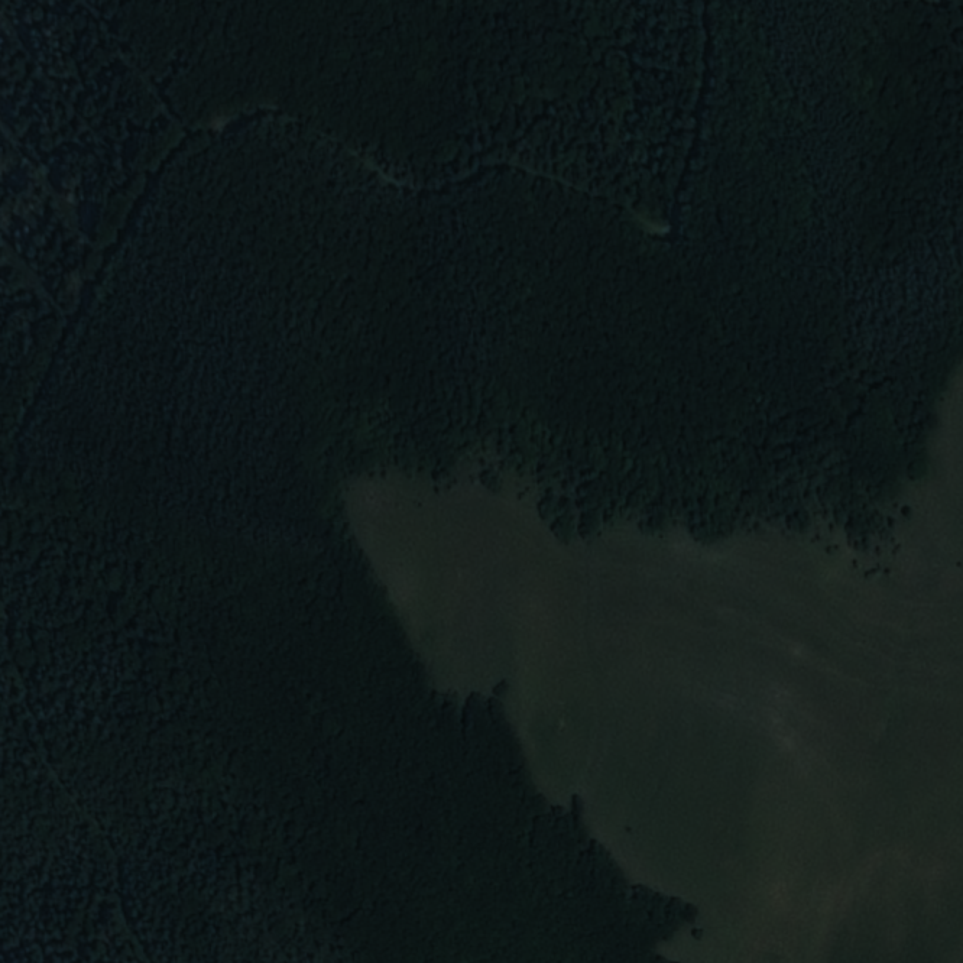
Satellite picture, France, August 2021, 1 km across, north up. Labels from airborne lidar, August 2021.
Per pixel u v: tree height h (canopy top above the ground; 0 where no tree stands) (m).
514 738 9
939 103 19
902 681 0
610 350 18
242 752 13
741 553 0
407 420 14
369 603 14
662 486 16
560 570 0
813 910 0
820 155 20
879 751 0
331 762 17
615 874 12
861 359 18
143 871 19
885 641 0
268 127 14
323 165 16
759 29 18
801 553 0
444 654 0
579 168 21
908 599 0
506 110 20
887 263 17
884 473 24
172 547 15
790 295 19
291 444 18
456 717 14
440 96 25
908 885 0
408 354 18
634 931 20
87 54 26
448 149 24
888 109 25
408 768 16
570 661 0
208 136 16
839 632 0
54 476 16
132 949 15
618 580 0
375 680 16
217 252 20
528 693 0
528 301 16
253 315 16
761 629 0
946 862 0
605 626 0
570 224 19
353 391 15
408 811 17
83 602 10
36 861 10
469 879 19
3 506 18
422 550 0
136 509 15
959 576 0
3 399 19
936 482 0
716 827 0
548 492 8
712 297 24
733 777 0
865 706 0
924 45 21
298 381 13
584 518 7
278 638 16
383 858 18
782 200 20
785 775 0
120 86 23
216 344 22
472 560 0
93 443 18
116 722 14
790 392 20
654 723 0
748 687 0
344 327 19
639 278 21
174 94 24
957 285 13
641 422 17
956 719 0
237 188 18
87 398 20
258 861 15
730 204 21
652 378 18
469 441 12
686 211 20
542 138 20
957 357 12
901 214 17
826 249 19
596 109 20
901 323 19
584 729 0
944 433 0
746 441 12
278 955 11
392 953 21
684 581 0
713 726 0
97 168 20
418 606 0
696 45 22
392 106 26
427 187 19
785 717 0
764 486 15
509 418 15
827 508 7
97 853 18
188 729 18
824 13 16
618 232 22
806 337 17
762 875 0
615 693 0
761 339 19
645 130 25
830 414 18
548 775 0
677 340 20
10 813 10
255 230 14
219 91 21
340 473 7
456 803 18
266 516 17
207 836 20
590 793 0
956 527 0
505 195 18
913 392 17
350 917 13
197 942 17
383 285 18
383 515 0
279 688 15
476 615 0
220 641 16
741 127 20
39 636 24
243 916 7
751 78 19
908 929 0
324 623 12
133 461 19
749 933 0
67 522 20
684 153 22
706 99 22
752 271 21
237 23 21
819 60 20
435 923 20
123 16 25
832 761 0
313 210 17
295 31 20
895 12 25
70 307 20
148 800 11
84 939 12
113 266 16
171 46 23
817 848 0
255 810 11
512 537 0
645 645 0
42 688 33
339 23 22
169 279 19
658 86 22
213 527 18
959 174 17
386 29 20
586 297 18
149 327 19
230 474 21
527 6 26
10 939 25
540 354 18
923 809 0
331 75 25
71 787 12
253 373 21
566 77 29
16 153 29
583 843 13
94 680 18
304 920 5
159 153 23
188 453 18
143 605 17
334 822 18
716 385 16
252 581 15
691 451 20
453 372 18
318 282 16
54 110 24
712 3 17
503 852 19
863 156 21
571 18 26
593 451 19
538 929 18
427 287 17
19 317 33
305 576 14
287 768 17
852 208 20
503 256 19
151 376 21
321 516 15
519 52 24
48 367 6
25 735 8
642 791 0
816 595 0
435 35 28
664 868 0
